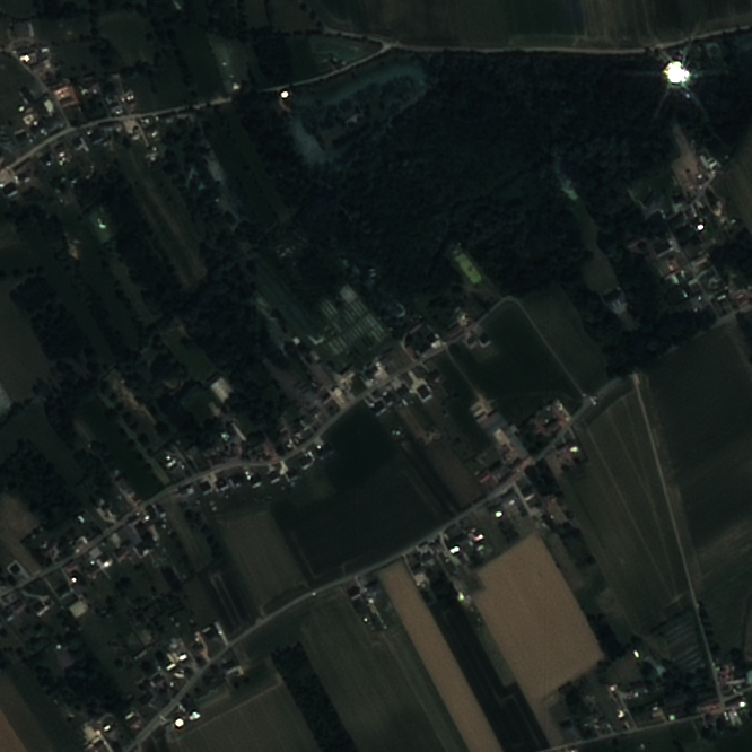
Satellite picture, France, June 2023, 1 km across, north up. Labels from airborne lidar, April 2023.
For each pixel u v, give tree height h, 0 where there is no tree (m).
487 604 0
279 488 0
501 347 0
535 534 0
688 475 0
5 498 0
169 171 18
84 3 0
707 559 0
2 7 0
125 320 0
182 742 0
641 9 0
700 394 0
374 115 0
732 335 0
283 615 0
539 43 0
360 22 0
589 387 0
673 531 0
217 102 0
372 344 0
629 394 0
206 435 15
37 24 0
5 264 0
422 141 9
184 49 0
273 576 0
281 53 29
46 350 18
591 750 0
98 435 0
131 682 0
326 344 0
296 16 0
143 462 9
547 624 0
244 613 0
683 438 0
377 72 0
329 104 0
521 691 0
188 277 0
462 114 24
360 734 0
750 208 0
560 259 15
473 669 0
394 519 0
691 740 0
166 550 0
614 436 0
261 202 0
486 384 0
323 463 0
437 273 17
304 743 0
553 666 0
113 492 0
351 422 0
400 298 6
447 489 0
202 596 0
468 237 19
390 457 0
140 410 0
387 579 0
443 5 0
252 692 0
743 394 0
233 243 7
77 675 14
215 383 0
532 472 15
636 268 20
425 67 11
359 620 0
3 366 0
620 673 0
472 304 0
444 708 0
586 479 0
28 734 0
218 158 12
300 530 0
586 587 0
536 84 8
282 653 6
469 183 7
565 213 26
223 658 0
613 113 18
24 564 0
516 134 13
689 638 0
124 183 17
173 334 0
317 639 0
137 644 0
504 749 0
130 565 0
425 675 0
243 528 0
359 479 0
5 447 0
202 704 0
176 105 0
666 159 25
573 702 7
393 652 0
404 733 0
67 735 0
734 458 0
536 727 0
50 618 0
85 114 11
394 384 0
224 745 0
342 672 0
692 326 20
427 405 0
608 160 24
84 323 0
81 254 0
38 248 0
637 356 18
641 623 0
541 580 0
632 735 0
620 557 0
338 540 0
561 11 0
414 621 0
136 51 0
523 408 0
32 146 0
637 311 20
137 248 33
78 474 0
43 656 6
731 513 0
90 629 0
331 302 0
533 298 0
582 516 0
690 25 0
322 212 30
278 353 26
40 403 0
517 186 7
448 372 0
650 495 0
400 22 0
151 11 14
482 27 0
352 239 16
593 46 0
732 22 0
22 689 0
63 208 0
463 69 21
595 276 0
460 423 0
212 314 27
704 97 22
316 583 0
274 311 0
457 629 0
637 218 15
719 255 14
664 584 0
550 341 0
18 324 0
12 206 8
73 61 0
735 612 0
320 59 0
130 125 0
